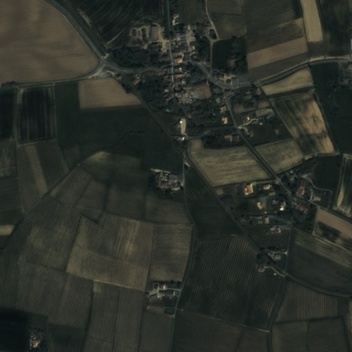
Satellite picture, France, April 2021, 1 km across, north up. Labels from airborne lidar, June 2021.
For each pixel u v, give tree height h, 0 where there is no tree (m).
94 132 0
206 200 0
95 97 0
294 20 0
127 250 0
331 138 0
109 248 0
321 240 0
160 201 0
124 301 0
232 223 0
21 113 0
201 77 7
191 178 0
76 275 0
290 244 0
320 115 0
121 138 0
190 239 0
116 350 0
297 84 0
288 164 0
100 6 0
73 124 0
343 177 0
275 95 0
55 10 0
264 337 0
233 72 11
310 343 0
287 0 0
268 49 0
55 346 0
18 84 0
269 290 0
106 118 0
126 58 16
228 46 0
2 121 0
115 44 0
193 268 0
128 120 0
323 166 0
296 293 0
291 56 0
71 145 0
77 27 0
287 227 0
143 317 0
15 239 0
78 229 0
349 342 0
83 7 0
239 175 0
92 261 0
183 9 0
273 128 8
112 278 0
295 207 7
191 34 0
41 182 0
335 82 0
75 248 0
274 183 5
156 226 0
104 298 0
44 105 0
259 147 0
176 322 0
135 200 0
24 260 0
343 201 0
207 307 0
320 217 0
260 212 0
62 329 0
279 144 0
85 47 0
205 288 0
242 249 0
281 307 0
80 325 0
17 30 0
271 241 0
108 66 0
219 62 0
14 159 0
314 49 0
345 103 0
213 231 0
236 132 13
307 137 0
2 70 0
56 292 0
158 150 0
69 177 0
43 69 0
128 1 0
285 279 0
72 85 0
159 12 0
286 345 0
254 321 0
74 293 0
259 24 0
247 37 0
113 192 0
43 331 8
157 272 0
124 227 0
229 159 0
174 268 0
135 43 0
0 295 0
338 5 0
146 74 0
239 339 0
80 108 0
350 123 0
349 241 0
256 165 0
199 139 0
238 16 0
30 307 0
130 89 12
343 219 0
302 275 0
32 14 0
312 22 0
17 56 0
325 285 0
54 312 0
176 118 0
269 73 0
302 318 0
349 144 0
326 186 0
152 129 0
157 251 0
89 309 0
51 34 0
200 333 0
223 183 0
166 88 8
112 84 0
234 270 0
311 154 0
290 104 0
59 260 0
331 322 0
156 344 0
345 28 0
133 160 0
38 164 0
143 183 0
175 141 12
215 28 0
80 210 0
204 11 15
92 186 0
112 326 0
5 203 0
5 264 0
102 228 0
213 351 0
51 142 0
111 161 0
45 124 0
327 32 0
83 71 0
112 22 0
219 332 0
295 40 0
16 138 0
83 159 0
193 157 0
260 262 13
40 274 0
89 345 0
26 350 0
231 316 0
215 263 0
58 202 0
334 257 0
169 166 0
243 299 0
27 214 0
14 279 0
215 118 15
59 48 0
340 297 0
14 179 0
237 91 7
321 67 0
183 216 0
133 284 0
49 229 0
